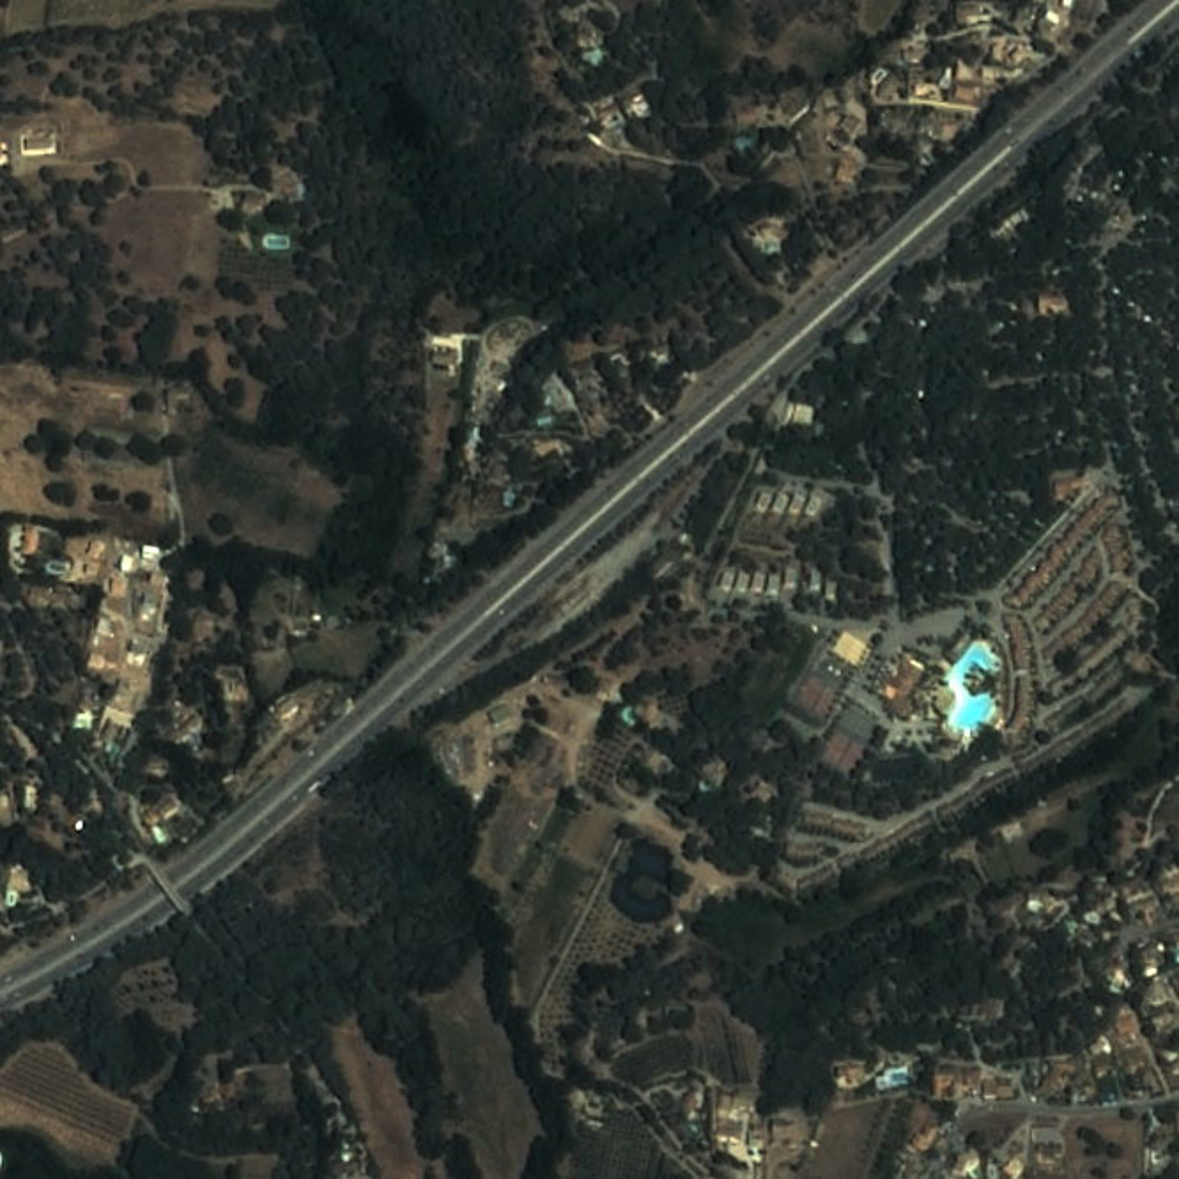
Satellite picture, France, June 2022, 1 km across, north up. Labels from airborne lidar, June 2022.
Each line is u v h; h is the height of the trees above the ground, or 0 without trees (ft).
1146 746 0
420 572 18
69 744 33
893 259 0
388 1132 0
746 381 0
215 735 32
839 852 24
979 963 31
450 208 71
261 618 0
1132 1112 27
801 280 27
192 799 45
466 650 0
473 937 31
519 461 37
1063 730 21
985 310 32
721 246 43
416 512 0
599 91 34
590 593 0
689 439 0
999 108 59
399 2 38
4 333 43
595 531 0
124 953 46
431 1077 39
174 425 0
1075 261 35
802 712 46
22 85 0
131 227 0
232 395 29
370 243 40
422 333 24
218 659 25
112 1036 53
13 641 37
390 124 42
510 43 39
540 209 37
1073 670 28
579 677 54
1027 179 39
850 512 40
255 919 51
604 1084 34
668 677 34
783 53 0
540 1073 52
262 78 33
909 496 36
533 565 0
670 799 37
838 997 37
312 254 30
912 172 33
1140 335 34
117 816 32
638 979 49
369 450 32
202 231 0
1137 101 36
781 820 28
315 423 20
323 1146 47
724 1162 35
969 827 37
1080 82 0
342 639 0
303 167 33
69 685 32
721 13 19
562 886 0
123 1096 29
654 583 28
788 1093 46
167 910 0
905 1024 28
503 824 0
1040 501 41
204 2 0
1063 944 27
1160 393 38
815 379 52
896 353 49
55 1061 0
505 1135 0
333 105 27
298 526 0
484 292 43
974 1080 0
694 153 45
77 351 36
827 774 30
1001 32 30
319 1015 45
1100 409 28
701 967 25
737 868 43
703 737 44
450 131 37
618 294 71
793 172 0
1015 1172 0
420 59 44
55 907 33
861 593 49
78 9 0
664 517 0
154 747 34
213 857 0
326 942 38
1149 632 27
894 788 30
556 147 38
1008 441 46
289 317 31
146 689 0
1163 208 31
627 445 21
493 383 0
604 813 0
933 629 0
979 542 33
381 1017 38
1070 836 28
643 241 48
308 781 0
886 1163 24
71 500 40
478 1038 0
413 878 39
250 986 40
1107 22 44
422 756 60
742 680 40
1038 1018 31
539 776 0
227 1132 56
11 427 0
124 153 0
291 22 26
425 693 0
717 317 45
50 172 36
